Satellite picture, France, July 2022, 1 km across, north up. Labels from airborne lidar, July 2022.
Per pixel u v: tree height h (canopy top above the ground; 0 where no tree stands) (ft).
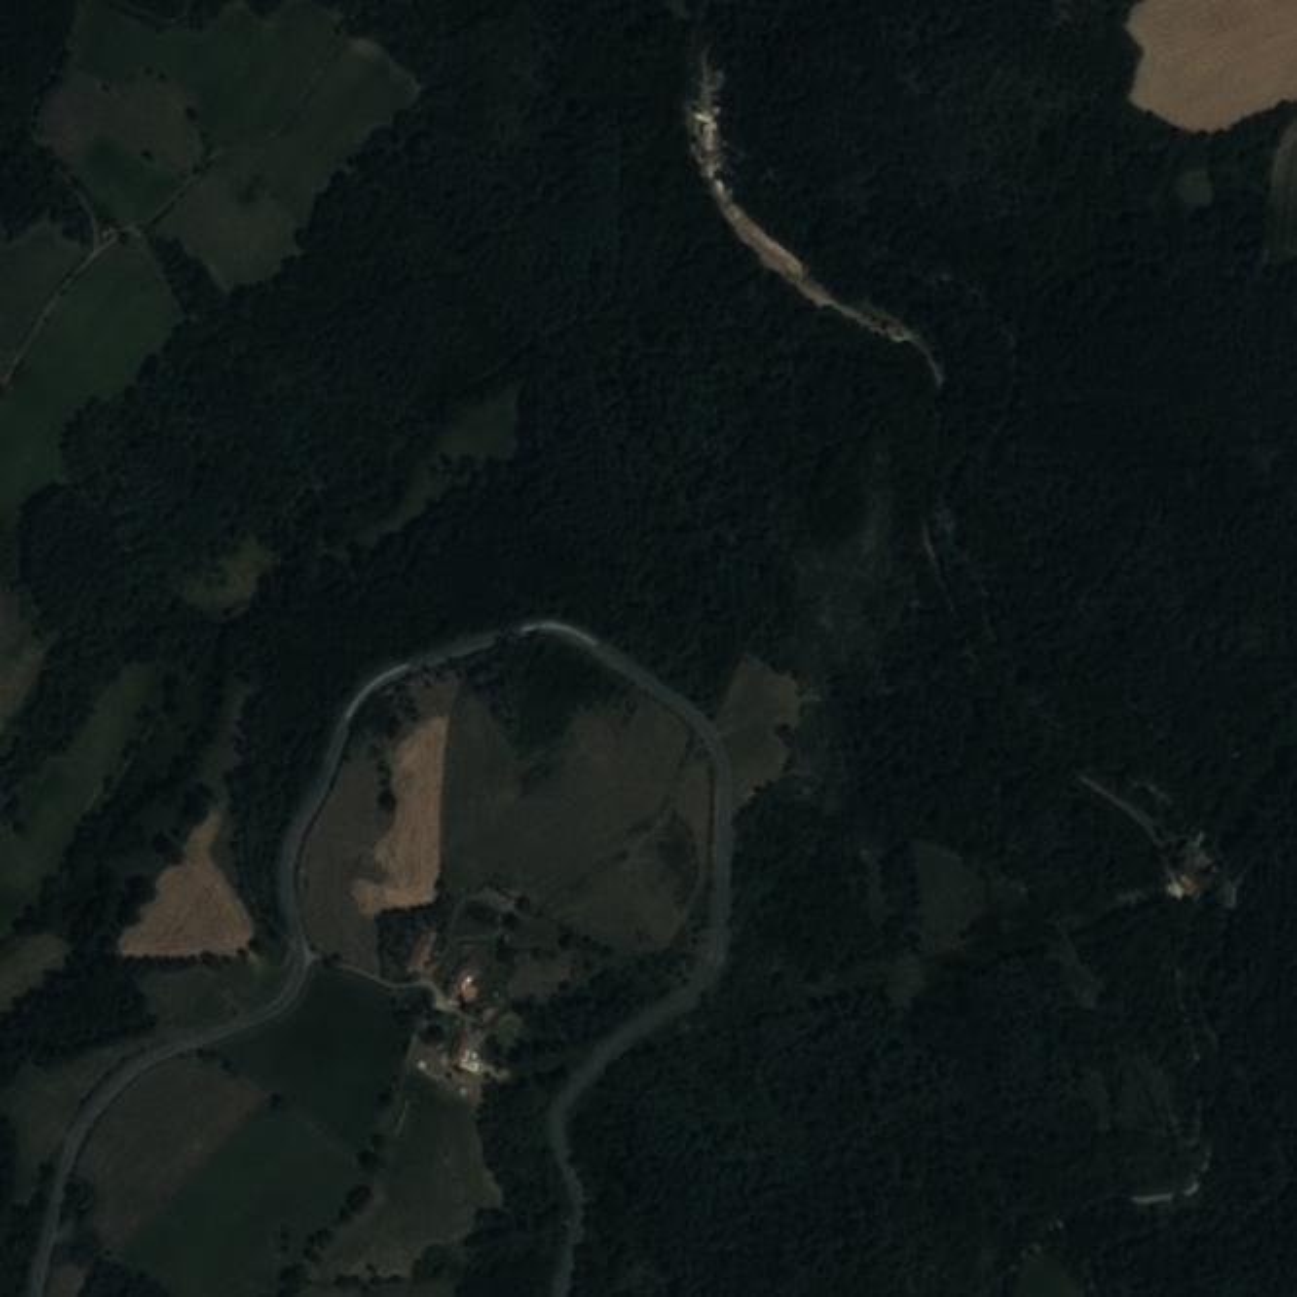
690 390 31
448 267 29
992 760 61
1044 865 49
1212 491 70
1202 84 0
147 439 79
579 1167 43
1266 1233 72
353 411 42
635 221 81
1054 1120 32
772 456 47
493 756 0
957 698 85
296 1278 51
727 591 41
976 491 69
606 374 26
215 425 90
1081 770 71
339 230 50
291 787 38
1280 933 70
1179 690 73
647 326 42
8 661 0
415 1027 22
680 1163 77
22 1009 67
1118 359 73
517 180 49
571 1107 0
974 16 26
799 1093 70
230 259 0
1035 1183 48
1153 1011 43
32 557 77
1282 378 36
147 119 0
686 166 56
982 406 61
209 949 0
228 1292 0
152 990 0
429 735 0
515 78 34
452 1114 0
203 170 31
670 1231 85
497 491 43
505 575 44
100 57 0
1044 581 79
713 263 44
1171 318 57
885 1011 34
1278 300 45
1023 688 61
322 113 0
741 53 49
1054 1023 52
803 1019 49
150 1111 0
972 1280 49
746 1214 77
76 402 0
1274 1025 53
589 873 0
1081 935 40
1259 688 54
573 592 31
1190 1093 50
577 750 0
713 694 33
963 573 65
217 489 73
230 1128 0
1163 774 46
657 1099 60
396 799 38
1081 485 62
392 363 85
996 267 50
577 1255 28
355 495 86
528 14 19
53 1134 0
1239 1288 48
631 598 40
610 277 84
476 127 41
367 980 0
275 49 0
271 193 0
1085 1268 38
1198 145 40
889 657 46
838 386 78
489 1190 0
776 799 34
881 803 65
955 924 0
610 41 67
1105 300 75
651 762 0
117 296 0
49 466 0
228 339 57
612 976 37
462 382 36
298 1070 0
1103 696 57
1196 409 54
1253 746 73
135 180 0
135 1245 0
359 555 68
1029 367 81
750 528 28
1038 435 72
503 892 23
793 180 56
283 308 62
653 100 76
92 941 53
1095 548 67
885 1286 37
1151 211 38
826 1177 47
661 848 0
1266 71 0
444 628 55
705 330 28
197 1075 0
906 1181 65
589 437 91
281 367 58
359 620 40
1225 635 30
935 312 80
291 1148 0
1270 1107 74
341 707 28
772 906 62
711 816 0
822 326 56
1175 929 53
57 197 31
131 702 0
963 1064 67
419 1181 0
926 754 88
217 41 0
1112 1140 51
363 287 53
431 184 79
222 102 0
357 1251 0
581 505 84
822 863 52
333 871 0
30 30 21
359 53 0
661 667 44
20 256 0
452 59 67
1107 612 32
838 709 21
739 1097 44
